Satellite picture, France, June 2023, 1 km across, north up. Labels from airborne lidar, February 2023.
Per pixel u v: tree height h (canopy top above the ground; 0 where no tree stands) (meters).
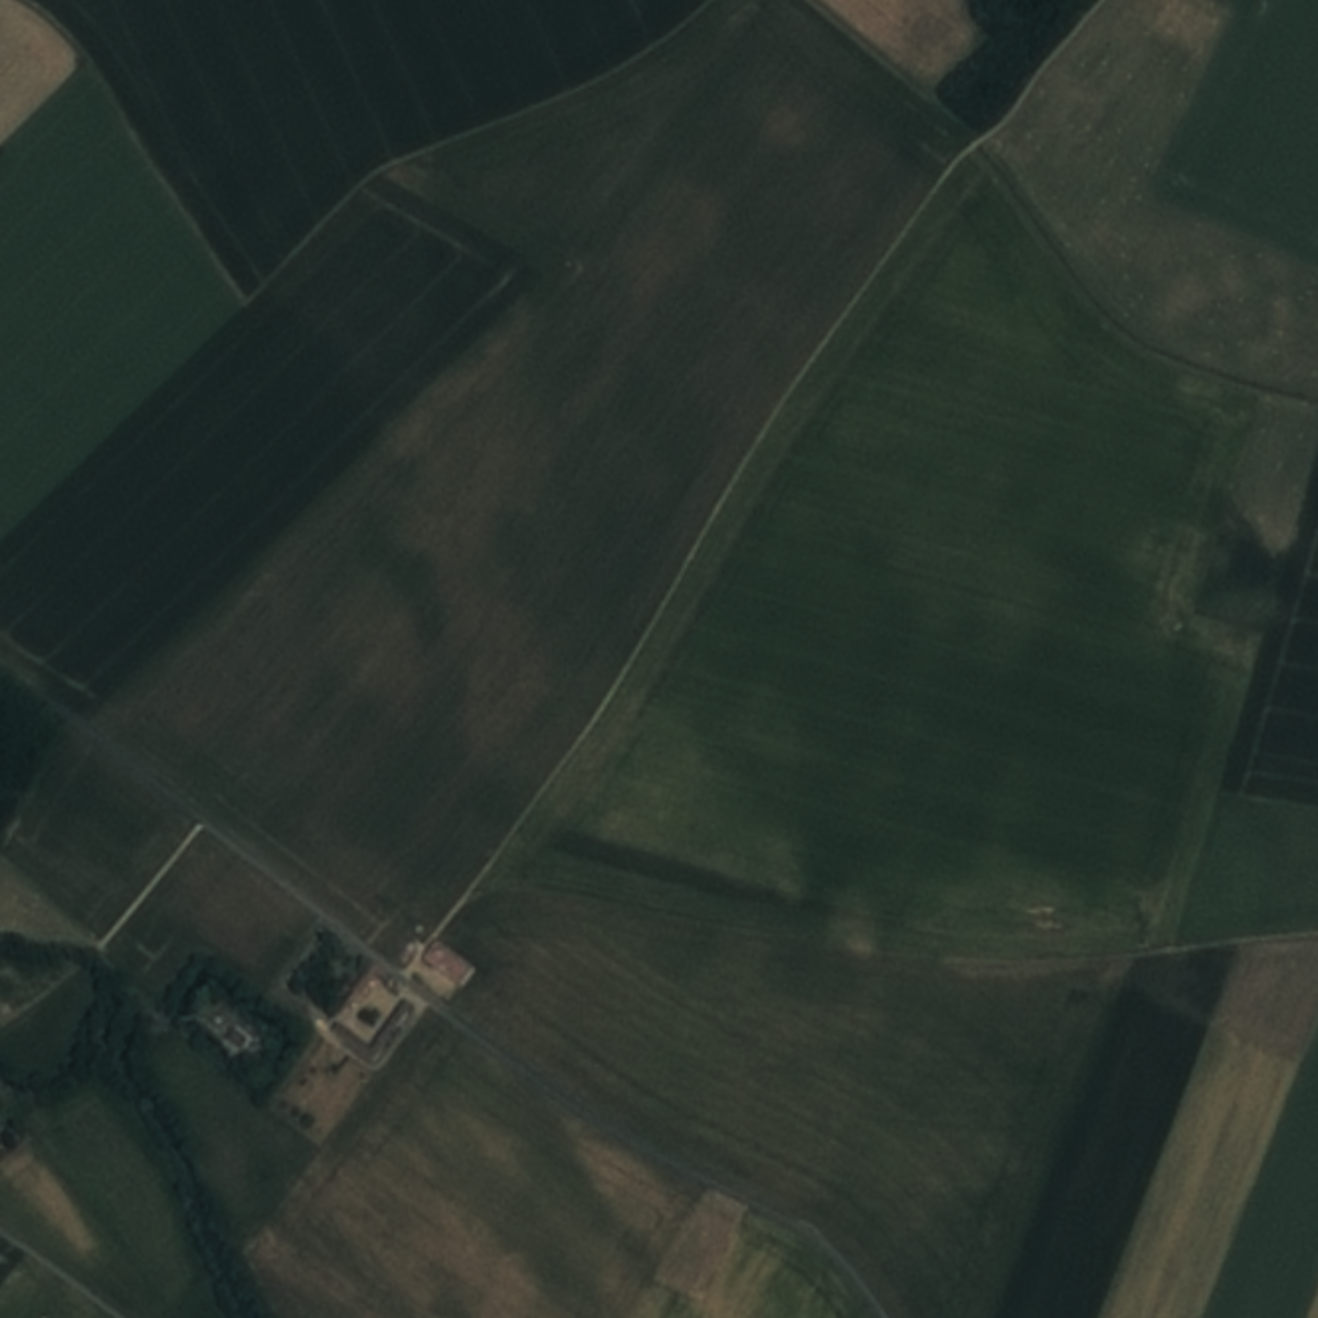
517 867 0
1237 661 0
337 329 0
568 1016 0
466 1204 0
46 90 0
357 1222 0
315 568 0
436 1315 0
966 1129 0
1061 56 0
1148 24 0
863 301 0
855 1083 0
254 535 0
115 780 0
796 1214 0
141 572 0
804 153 0
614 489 0
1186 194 0
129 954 0
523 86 0
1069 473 0
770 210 0
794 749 0
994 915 0
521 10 0
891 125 0
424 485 0
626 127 0
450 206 0
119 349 0
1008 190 0
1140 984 0
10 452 0
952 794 0
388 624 0
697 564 0
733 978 0
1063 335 0
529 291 0
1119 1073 0
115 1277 0
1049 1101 0
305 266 0
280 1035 11
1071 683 0
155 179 0
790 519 0
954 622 0
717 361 0
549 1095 0
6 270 0
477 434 0
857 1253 0
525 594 0
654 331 0
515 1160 0
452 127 0
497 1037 0
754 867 0
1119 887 0
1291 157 0
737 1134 0
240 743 0
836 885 0
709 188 0
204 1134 0
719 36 0
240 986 9
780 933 0
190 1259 0
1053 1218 0
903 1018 0
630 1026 0
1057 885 0
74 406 0
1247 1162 0
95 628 0
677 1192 0
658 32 0
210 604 0
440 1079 0
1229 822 0
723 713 0
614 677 0
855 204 0
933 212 0
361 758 0
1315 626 0
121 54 0
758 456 0
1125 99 0
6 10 0
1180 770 0
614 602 0
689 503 0
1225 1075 0
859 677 0
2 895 0
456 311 0
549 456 0
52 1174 0
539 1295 0
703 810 0
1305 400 0
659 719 0
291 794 0
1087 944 0
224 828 0
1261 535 0
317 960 8
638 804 0
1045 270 0
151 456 0
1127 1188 0
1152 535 0
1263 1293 0
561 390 0
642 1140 0
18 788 14
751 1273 0
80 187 0
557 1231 0
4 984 0
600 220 0
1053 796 0
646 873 0
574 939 0
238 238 0
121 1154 0
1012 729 0
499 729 0
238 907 0
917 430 0
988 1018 0
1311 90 0
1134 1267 0
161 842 0
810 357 0
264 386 0
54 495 0
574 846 0
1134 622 0
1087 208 0
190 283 0
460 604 0
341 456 0
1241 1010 0
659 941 0
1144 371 0
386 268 0
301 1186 0
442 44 0
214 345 0
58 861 0
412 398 0
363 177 0
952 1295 0
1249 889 0
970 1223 0
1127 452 0
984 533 0
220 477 0
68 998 0
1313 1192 0
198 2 0
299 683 0
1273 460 0
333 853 0
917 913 0
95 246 0
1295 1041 0
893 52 0
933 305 0
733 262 0
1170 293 0
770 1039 0
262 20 0
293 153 0
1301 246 0
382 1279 0
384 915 0
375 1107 0
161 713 0
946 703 0
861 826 0
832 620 0
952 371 0
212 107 0
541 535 0
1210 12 0
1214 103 0
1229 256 0
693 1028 0
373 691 0
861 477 0
